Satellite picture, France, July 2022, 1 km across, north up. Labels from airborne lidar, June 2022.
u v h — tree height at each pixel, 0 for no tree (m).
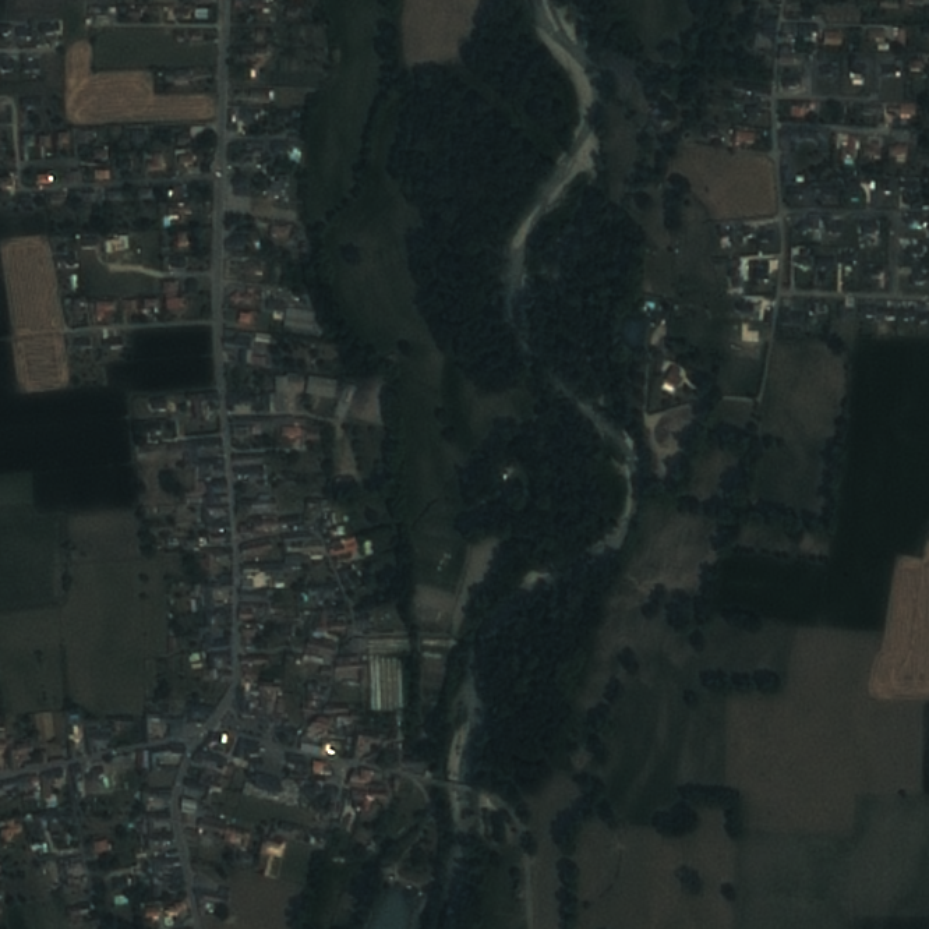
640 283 27
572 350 35
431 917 21
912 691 0
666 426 0
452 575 0
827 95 0
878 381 0
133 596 0
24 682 0
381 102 14
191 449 0
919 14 7
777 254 0
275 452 5
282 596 9
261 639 16
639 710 0
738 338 0
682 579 0
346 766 0
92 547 0
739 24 8
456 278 22
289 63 0
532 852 14
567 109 17
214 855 0
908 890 0
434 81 21
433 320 23
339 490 26
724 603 0
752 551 11
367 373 15
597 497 37
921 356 0
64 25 0
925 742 0
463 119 23
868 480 0
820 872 0
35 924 0
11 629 0
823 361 0
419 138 33
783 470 0
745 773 0
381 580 15
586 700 0
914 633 0
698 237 0
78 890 0
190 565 7
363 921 28
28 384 0
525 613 25
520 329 21
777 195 0
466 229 27
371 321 0
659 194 0
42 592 0
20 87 0
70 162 0
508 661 22
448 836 18
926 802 0
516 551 21
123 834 15
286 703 0
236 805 0
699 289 0
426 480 0
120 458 0
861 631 0
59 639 0
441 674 0
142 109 0
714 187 0
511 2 26
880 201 0
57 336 0
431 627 0
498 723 29
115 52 0
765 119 0
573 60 0
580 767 0
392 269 0
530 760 26
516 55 21
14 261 0
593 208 23
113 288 0
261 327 0
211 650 0
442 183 38
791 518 24
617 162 0
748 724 0
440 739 18
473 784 18
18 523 0
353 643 0
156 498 0
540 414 18
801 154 0
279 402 0
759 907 0
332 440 10
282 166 7
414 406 0
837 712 0
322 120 0
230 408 8
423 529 0
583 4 15
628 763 0
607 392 19
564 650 29
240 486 11
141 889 7
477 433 0
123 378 0
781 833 0
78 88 0
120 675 0
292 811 0
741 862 0
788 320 0
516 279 0
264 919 0
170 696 6
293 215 0
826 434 0
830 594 0
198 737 0
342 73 0
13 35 0
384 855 7
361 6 0
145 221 12
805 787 0
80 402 0
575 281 19
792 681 0
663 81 22
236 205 0
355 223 0
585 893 0
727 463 0
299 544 6
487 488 24
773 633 0
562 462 25
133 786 0
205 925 0
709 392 14
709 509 18
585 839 0
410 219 0
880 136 0
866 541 0
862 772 0
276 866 0
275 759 0
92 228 13
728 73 14
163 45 0
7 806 0
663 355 10
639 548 0
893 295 0
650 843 0
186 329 0
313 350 6
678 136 7
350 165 0
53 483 0
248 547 0
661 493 31
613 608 0
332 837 6
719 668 0
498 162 22
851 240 0
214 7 8
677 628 23
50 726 0
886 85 0
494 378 31
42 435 0
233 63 12
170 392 0
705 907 0
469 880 10
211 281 0
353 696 0
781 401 0
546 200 0
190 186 9
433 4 0
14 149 6
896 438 0
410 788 0
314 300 14
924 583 0
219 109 0
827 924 0
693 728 0
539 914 0
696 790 19
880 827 0
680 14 0
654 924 0
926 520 0
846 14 0
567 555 17
